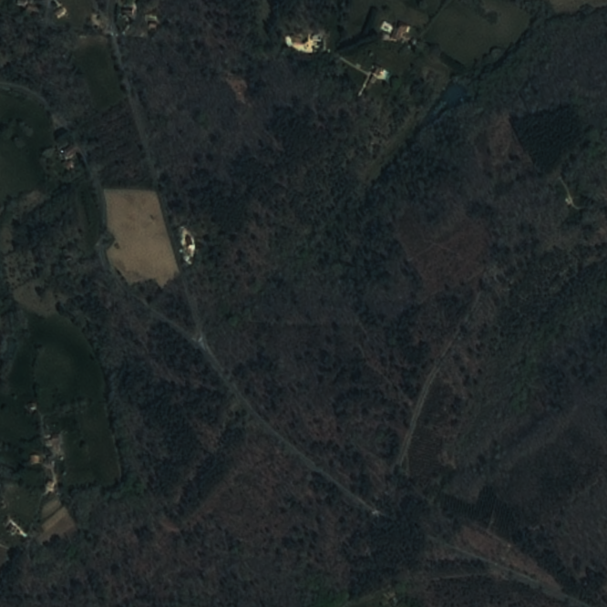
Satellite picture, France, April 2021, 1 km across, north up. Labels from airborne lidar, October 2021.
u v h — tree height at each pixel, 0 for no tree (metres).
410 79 7
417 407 0
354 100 17
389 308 17
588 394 13
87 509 24
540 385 13
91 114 7
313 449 14
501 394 17
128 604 7
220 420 17
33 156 0
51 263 21
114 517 17
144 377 24
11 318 8
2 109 0
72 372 0
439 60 17
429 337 6
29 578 13
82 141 15
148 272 0
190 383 8
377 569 18
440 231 14
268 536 9
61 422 0
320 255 12
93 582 24
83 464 0
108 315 25
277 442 14
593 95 21
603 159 16
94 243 0
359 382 22
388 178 20
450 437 17
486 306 13
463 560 13
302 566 19
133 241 0
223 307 9
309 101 15
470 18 0
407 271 13
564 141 21
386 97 13
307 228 22
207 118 19
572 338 16
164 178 9
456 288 6
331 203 22
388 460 19
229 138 16
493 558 14
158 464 21
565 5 0
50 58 14
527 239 14
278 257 17
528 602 7
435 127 20
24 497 0
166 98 16
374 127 8
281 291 23
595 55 15
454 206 16
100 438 0
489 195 12
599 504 14
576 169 20
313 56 7
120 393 23
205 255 16
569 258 14
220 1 21
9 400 0
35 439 7
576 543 13
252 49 17
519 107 24
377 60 6
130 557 7
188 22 18
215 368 7
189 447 21
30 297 0
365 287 16
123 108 7
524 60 21
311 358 14
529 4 10
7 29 13
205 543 18
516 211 15
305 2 19
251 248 10
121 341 17
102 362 24
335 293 18
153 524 18
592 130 13
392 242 14
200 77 13
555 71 19
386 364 17
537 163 19
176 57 18
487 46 0
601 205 14
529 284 10
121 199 0
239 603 14
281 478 13
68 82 22
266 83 18
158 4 10
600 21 13
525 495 7
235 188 13
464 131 18
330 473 15
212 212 24
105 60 0
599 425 14
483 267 13
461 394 12
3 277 8
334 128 20
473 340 10
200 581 16
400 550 26
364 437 12
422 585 8
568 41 15
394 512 22
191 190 6
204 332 8
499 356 11
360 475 8
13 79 18
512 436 9
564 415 22
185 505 16
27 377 0
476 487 18
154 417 24
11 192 0
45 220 11
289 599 9
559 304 23
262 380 12
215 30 8
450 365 9
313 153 23
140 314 22
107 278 23
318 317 13
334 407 7
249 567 15
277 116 20
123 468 16
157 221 0
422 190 18
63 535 0
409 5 0
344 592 15
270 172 13
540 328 19
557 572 21
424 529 14
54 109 22
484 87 22
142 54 12
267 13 0
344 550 9
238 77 20
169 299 13
